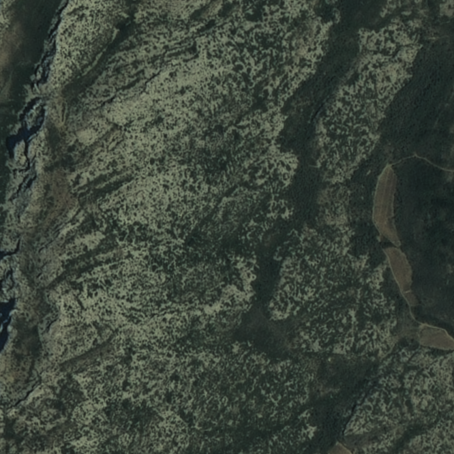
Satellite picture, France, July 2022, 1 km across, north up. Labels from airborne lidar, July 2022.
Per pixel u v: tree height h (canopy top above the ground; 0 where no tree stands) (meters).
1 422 0
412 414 0
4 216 0
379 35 0
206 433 7
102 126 0
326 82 8
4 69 0
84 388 0
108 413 6
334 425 8
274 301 0
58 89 0
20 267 0
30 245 0
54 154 0
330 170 0
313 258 0
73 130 0
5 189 0
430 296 0
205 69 0
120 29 7
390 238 0
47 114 0
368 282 0
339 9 8
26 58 0
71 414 0
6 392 0
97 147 0
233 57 0
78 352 0
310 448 7
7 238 0
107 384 0
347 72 0
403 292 0
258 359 0
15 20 0
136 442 0
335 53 7
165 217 0
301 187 6
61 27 0
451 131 0
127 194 0
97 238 0
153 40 0
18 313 0
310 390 0
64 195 0
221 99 0
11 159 0
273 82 0
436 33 7
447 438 0
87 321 0
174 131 0
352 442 0
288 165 0
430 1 5
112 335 0
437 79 7
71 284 0
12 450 0
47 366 0
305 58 0
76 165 0
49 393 0
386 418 0
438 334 0
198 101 0
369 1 0
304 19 0
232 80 0
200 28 7
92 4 0
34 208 0
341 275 0
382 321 0
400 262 0
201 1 0
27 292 0
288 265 0
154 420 0
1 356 0
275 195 0
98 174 0
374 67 0
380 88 0
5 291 0
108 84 0
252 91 0
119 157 0
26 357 0
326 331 0
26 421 0
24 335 0
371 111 0
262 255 6
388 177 0
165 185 7
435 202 10
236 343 0
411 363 0
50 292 0
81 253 0
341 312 0
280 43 0
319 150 0
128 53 0
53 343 0
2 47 0
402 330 0
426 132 7
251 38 0
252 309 0
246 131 0
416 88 7
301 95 7
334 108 0
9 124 0
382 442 0
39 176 0
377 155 8
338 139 0
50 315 0
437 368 0
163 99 0
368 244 8
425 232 6
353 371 7
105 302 0
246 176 0
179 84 0
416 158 6
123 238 8
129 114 0
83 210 0
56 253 0
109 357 0
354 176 7
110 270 0
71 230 0
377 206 0
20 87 0
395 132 8
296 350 0
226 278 7
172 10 0
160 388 0
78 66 0
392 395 0
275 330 0
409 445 0
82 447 0
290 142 9
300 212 8
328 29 0
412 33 0
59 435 0
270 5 0
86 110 0
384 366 0
